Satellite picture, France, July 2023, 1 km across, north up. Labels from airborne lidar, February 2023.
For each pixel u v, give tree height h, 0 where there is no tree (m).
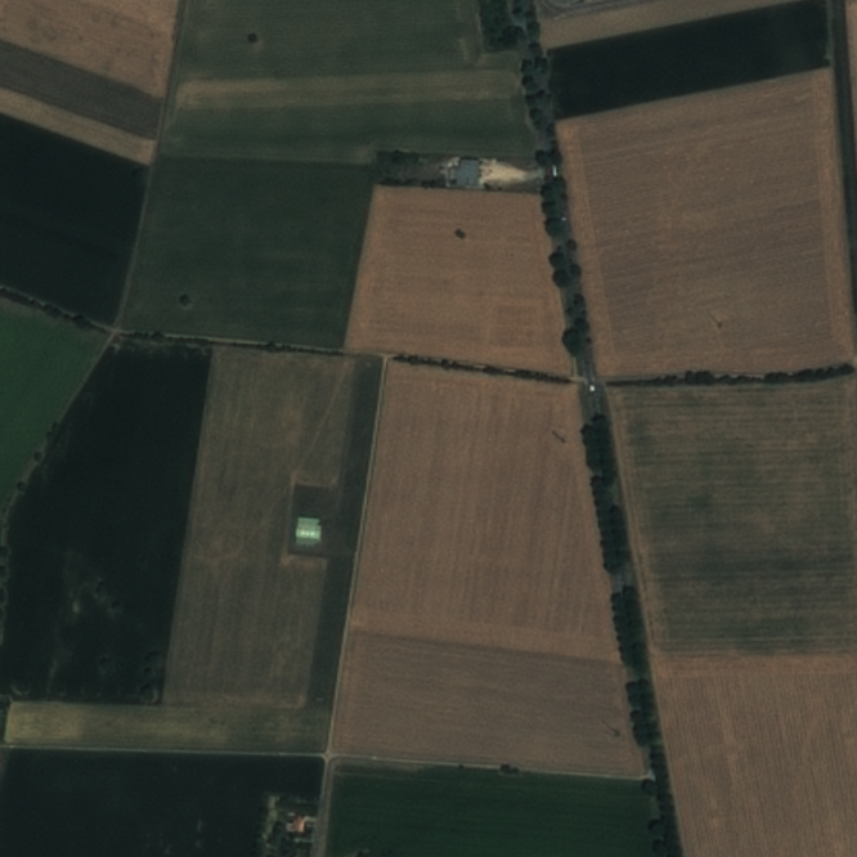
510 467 0
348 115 0
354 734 0
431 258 0
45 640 0
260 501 0
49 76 0
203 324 0
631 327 0
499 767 0
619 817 0
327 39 0
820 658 0
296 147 0
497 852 0
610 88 0
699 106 0
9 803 0
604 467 20
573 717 0
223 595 0
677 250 0
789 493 0
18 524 0
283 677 0
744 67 0
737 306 0
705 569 0
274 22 0
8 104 0
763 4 0
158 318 0
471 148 0
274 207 0
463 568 0
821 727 0
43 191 0
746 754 0
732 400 0
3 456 0
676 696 0
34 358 0
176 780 0
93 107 0
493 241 0
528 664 0
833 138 0
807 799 0
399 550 0
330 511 0
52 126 0
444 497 0
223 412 0
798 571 0
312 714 0
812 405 0
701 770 0
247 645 0
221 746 0
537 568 0
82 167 0
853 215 0
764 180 0
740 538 0
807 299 0
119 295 0
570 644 0
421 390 0
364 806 0
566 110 0
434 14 0
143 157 0
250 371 0
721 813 0
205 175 0
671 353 0
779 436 0
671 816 19
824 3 0
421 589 0
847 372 9
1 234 0
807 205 0
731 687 0
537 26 10
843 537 0
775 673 0
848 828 0
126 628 0
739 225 0
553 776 0
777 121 0
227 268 0
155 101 0
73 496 0
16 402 0
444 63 0
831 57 0
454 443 0
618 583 0
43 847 0
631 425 0
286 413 0
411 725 0
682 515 0
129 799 0
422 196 0
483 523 0
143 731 0
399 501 0
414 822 0
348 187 0
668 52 0
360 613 0
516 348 0
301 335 0
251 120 0
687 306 0
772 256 0
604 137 0
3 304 0
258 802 0
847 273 0
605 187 0
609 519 19
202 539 0
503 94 0
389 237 0
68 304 0
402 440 0
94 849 0
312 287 0
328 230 0
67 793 0
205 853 0
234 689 0
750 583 0
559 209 21
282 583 0
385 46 0
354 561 0
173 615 0
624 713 0
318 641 0
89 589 0
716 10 0
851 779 0
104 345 0
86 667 0
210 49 0
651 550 0
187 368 0
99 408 0
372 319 0
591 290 0
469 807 0
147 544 0
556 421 0
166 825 0
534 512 0
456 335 0
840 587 0
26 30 0
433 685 0
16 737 0
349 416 0
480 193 0
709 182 0
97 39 0
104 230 0
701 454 0
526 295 0
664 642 0
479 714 0
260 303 0
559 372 0
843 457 0
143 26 0
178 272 0
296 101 0
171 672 0
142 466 0
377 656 0
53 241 0
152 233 0
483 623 0
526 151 0
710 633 0
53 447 0
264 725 0
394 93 0
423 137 0
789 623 0
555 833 0
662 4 0
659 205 0
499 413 0
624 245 0
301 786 0
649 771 0
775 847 0
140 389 0
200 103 0
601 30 0
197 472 0
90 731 0
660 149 0
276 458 0
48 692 0
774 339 0
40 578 0
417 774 0
